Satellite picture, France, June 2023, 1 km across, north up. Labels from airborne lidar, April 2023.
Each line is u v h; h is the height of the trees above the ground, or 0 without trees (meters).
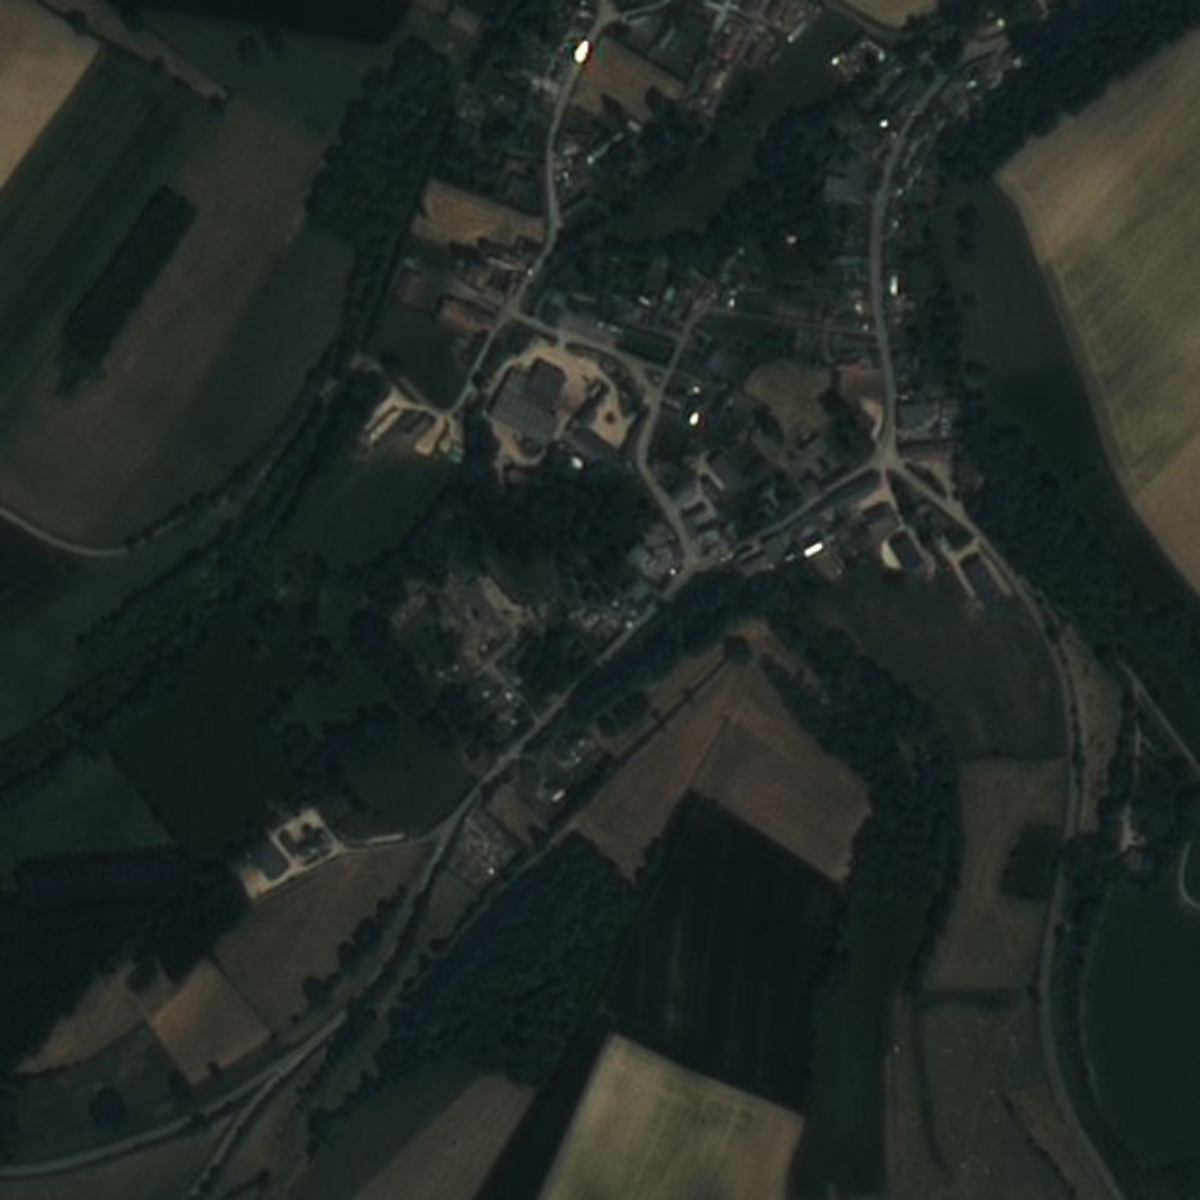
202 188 0
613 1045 0
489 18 12
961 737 0
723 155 0
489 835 0
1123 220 0
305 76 0
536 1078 13
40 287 0
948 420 0
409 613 0
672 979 0
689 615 21
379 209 16
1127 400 0
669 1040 0
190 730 0
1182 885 0
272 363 0
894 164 0
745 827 0
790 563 9
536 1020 20
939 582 0
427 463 0
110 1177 0
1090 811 0
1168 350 0
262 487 6
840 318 0
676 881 0
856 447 0
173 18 0
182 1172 0
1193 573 0
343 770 22
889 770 23
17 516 0
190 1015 0
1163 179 0
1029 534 18
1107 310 0
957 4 26
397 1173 0
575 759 0
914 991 10
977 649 0
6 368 0
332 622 0
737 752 0
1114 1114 0
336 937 0
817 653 23
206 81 0
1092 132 0
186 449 0
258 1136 0
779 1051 0
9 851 0
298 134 0
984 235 0
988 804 0
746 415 0
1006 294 0
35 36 0
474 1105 0
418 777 0
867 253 0
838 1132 0
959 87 0
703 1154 0
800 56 0
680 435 0
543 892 22
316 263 0
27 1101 0
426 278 0
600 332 0
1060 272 0
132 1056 0
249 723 0
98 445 0
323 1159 0
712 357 0
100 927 23
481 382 11
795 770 0
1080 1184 0
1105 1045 0
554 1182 0
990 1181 0
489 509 23
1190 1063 0
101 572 0
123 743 0
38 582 0
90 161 0
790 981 0
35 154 0
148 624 13
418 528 12
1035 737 0
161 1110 0
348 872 0
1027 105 17
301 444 9
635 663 17
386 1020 0
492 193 8
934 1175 0
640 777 0
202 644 17
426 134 20
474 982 24
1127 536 0
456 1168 0
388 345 0
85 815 0
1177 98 0
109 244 0
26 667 0
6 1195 0
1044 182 0
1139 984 0
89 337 9
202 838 0
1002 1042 0
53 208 0
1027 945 0
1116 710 0
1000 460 16
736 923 0
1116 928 0
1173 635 12
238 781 0
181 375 0
